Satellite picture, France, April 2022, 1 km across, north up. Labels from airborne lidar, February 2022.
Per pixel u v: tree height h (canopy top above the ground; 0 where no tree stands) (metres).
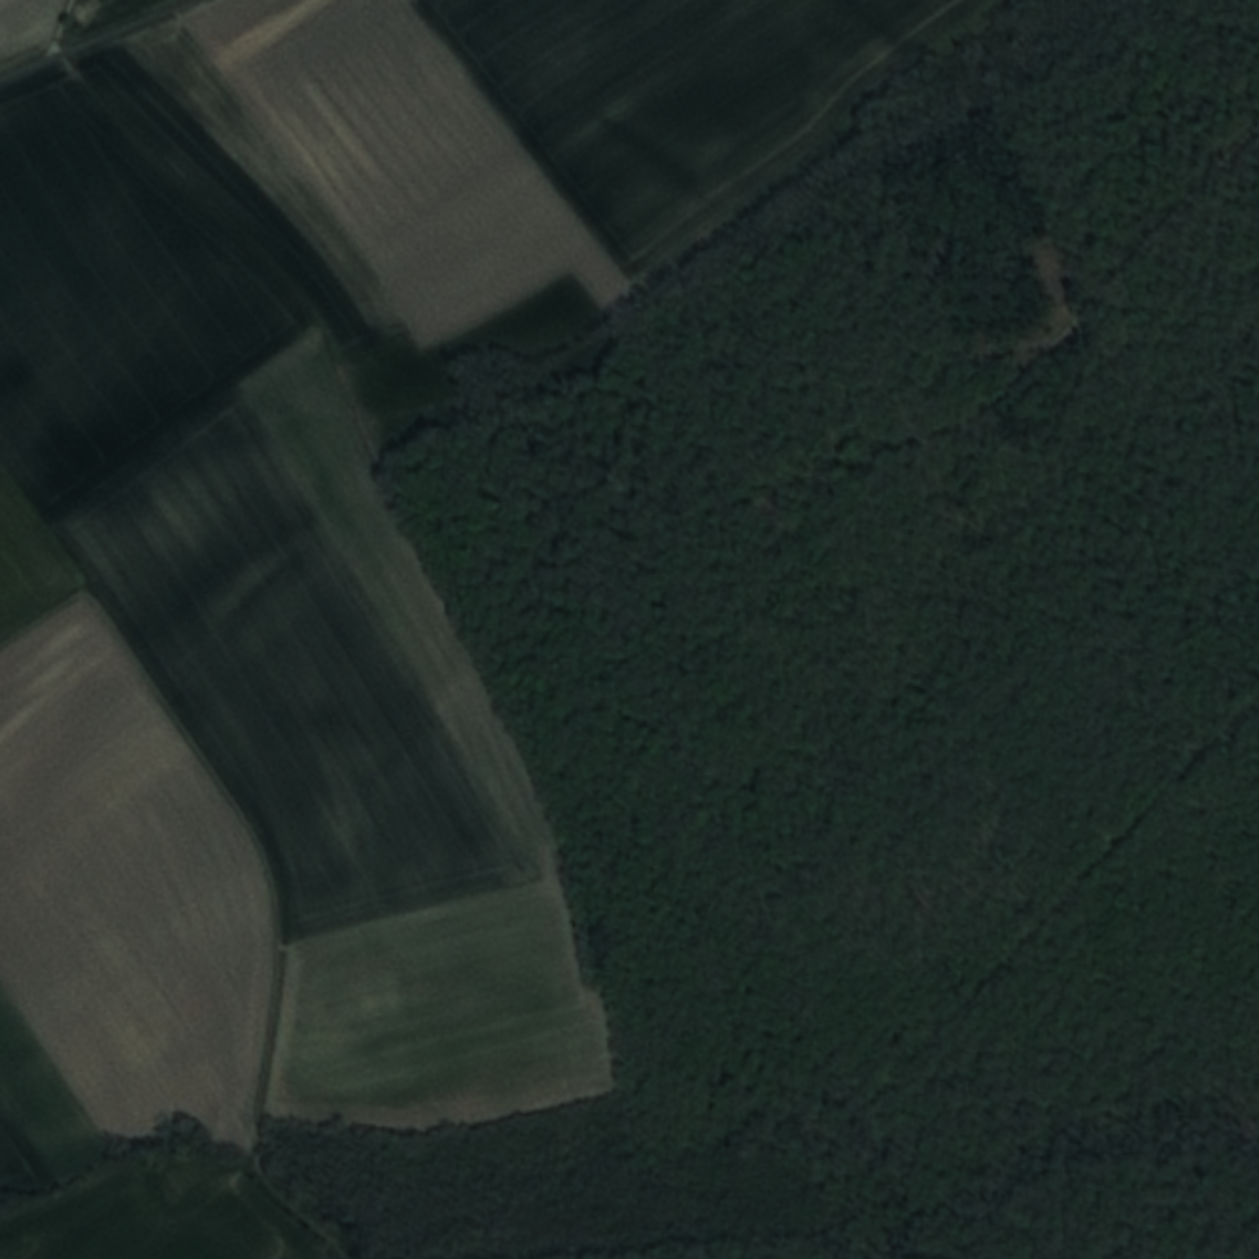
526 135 0
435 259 0
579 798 18
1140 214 20
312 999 0
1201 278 25
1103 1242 26
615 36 0
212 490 0
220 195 0
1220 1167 24
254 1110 0
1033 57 22
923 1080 21
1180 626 19
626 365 22
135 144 0
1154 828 20
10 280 0
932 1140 25
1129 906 21
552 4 0
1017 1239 22
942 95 27
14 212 0
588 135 0
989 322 16
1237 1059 20
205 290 0
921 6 0
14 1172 0
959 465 21
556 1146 9
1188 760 19
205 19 0
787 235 27
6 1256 0
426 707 0
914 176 21
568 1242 13
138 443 0
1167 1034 20
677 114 0
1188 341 20
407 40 0
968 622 22
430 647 0
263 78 0
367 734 0
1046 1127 24
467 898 0
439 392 0
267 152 0
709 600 20
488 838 0
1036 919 19
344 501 0
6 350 0
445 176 0
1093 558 23
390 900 0
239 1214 0
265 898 0
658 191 0
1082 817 20
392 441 0
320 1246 14
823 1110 24
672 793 19
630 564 21
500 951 0
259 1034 0
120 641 0
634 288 0
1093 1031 20
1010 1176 24
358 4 0
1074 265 19
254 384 0
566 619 17
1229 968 20
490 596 23
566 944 0
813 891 19
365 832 0
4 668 0
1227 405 26
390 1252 19
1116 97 20
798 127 0
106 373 0
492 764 0
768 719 19
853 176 11
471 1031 0
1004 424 20
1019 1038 22
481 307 0
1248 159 20
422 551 16
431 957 0
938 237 16
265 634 0
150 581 0
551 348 0
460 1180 13
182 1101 0
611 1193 18
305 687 0
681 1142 23
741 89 0
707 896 21
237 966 0
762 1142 18
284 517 0
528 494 25
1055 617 22
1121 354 22
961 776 22
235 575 0
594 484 27
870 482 22
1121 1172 27
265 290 0
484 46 0
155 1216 0
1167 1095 24
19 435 0
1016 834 23
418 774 0
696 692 21
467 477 26
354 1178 21
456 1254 16
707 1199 8
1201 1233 20
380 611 0
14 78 0
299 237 0
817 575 18
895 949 21
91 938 0
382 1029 0
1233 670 21
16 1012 0
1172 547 25
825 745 22
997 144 16
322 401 0
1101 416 24
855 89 0
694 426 20
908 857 23
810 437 20
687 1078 18
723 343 28
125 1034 0
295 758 0
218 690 0
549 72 0
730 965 22
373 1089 0
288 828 0
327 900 0
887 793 21
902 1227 18
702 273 25
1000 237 15
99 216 0
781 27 0
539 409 23
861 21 0
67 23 9
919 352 22
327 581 0
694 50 0
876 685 22
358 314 0
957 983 21
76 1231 0
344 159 0
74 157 0
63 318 0
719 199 0
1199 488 22
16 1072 0
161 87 0
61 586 0
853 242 21
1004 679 18
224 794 0
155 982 0
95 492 0
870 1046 23
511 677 18
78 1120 0
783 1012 21
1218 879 19
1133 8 22
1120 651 22
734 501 21
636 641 19
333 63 0
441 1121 0
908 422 24
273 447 0
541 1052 0
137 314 0
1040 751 19
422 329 0
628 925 20
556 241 0
